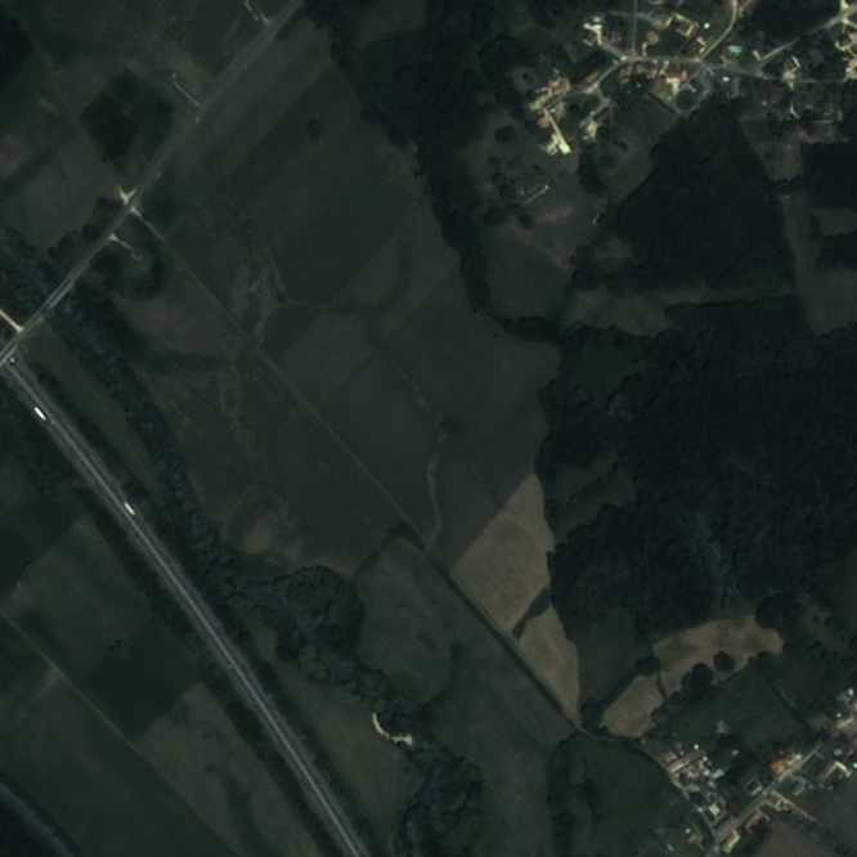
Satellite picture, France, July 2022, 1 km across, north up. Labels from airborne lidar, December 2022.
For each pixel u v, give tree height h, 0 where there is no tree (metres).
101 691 0
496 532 0
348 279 0
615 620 0
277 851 0
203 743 0
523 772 0
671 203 19
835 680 14
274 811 0
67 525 0
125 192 0
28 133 0
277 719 0
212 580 14
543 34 0
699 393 26
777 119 13
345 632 14
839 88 6
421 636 0
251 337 0
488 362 0
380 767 0
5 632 0
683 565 22
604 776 0
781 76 7
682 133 8
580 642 0
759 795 0
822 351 18
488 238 0
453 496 0
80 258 0
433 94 18
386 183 0
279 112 0
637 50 0
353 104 0
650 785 0
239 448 0
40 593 0
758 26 17
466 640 0
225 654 0
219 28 0
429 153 11
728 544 22
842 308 0
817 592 17
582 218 0
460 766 12
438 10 15
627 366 0
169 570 0
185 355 0
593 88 0
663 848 0
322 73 0
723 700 0
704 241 13
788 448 29
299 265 0
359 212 0
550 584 0
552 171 0
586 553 18
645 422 24
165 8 0
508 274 0
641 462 27
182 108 0
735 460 25
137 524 0
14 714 0
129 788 0
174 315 0
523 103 19
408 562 0
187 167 0
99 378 7
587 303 0
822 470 37
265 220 0
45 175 0
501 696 0
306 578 18
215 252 0
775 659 17
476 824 21
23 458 7
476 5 6
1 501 0
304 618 0
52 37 0
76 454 0
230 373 0
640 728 0
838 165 18
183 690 0
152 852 0
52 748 0
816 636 0
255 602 18
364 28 0
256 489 0
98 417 0
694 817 7
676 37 0
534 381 0
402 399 0
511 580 0
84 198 0
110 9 0
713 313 18
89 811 0
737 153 11
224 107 0
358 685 17
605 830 0
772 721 0
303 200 0
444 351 0
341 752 0
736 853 7
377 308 0
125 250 0
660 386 13
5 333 16
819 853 0
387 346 0
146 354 0
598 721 19
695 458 24
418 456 0
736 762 7
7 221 10
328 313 0
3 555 0
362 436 0
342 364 0
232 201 0
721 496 22
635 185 0
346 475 0
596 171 18
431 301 0
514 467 0
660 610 21
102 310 14
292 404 0
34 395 0
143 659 0
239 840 0
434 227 0
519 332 13
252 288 0
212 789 0
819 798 0
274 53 0
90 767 0
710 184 9
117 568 0
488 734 0
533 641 0
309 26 0
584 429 21
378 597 0
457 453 0
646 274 15
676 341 22
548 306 0
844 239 18
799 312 16
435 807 13
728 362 16
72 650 0
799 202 0
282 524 0
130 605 0
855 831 0
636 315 0
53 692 0
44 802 0
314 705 0
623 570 26
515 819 0
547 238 0
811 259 0
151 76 0
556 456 17
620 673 0
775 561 26
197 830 0
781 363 12
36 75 0
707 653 0
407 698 0
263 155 0
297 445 0
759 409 33
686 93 0
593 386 0
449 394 0
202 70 0
